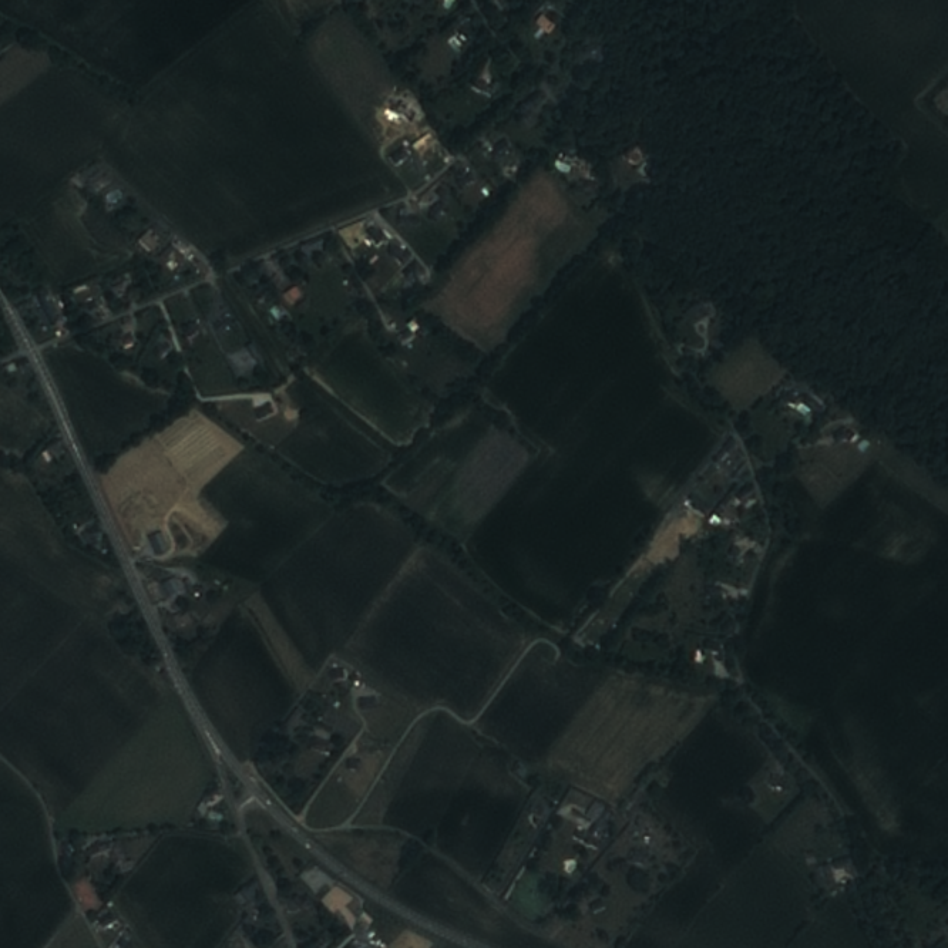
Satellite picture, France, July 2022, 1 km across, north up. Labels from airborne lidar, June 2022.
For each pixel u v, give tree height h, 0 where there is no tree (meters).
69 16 0
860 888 16
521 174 10
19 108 0
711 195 19
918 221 11
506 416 15
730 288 19
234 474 0
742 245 15
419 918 0
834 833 10
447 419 9
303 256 14
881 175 16
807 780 14
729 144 23
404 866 13
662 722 0
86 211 0
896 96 0
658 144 20
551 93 0
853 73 0
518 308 0
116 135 0
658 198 19
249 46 0
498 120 11
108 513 0
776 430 0
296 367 11
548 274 0
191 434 0
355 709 0
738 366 0
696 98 21
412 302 21
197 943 0
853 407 26
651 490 0
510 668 0
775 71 23
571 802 0
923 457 19
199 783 0
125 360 16
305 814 0
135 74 0
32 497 0
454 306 0
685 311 7
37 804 0
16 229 11
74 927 0
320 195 0
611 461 0
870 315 26
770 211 20
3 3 0
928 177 0
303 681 0
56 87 0
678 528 0
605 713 0
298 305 10
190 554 0
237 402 0
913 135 0
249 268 16
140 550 0
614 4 30
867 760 0
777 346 15
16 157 0
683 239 21
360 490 17
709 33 7
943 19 0
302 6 0
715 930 0
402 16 9
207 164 0
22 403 0
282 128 0
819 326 17
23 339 0
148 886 0
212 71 0
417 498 0
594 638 0
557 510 0
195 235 0
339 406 8
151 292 6
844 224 19
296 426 0
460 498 0
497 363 15
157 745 0
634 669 9
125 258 0
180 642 20
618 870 10
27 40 17
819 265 9
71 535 7
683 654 11
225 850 0
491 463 0
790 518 14
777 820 6
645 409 0
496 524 0
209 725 0
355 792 0
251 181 0
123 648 12
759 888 0
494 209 20
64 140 0
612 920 0
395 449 8
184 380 15
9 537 0
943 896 16
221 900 0
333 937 8
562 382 0
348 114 0
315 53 0
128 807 0
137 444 9
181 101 0
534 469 0
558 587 0
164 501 0
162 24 0
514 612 7
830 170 19
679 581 0
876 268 26
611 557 0
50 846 0
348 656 0
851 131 19
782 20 14
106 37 0
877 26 0
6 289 16
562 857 0
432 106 8
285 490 0
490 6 24
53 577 0
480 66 8
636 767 0
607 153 20
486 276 0
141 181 0
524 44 22
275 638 0
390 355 15
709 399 19
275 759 23
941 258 25
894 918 12
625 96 19
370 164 0
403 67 14
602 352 0
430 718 0
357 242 0
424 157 0
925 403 17
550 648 0
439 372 0
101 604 0
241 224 0
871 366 24
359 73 0
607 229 16
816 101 18
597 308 0
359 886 0
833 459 0
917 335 27
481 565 0
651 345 0
